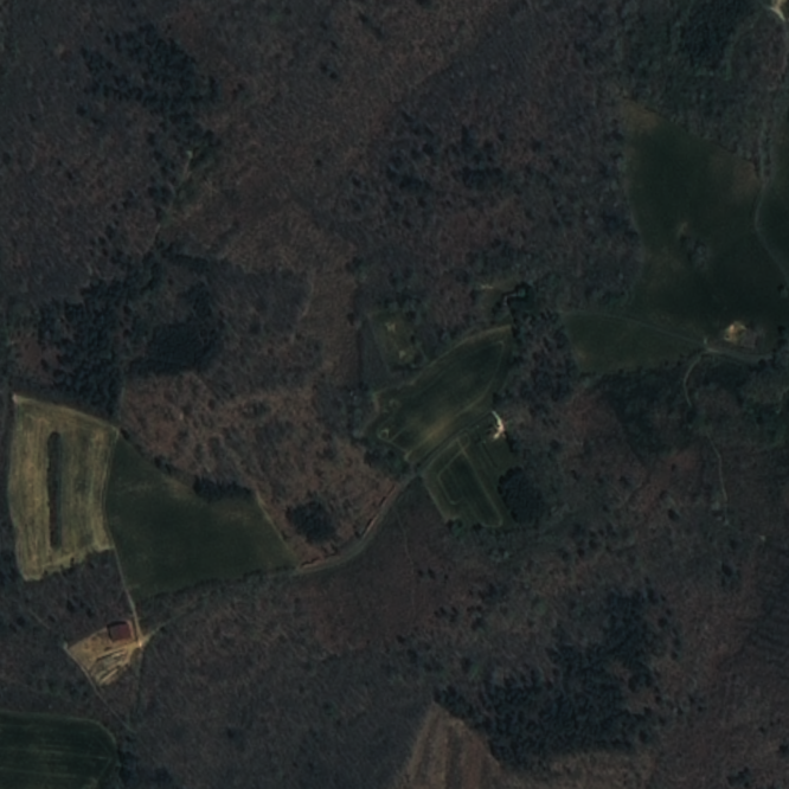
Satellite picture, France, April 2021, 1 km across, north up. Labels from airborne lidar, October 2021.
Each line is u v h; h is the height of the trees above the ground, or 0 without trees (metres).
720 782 9
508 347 0
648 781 16
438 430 0
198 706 15
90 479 0
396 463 18
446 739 0
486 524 0
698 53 21
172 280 11
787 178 0
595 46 14
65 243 7
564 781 19
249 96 8
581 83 12
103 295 15
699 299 0
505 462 0
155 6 9
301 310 20
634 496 8
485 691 7
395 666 13
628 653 20
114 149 8
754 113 20
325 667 15
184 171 14
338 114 9
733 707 7
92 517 0
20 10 19
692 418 11
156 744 16
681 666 8
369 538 0
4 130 16
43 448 0
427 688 14
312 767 13
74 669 12
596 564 16
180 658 11
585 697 9
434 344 14
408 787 21
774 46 6
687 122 12
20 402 0
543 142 8
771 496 6
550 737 20
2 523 7
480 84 13
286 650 14
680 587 7
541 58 8
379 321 0
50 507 6
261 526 0
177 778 8
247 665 9
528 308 15
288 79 13
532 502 21
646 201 0
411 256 10
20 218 11
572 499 15
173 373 13
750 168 0
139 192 12
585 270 10
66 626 10
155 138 10
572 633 14
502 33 17
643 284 0
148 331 16
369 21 14
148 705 8
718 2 19
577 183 14
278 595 9
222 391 12
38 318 12
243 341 7
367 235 11
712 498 22
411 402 0
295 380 12
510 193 14
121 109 8
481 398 0
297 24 10
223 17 10
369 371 17
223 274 13
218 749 15
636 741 11
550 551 14
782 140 0
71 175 7
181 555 0
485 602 21
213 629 9
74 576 12
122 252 9
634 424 6
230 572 0
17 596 15
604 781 23
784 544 10
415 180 12
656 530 8
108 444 0
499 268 13
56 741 0
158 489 0
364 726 14
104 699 9
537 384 15
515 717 17
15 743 0
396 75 9
